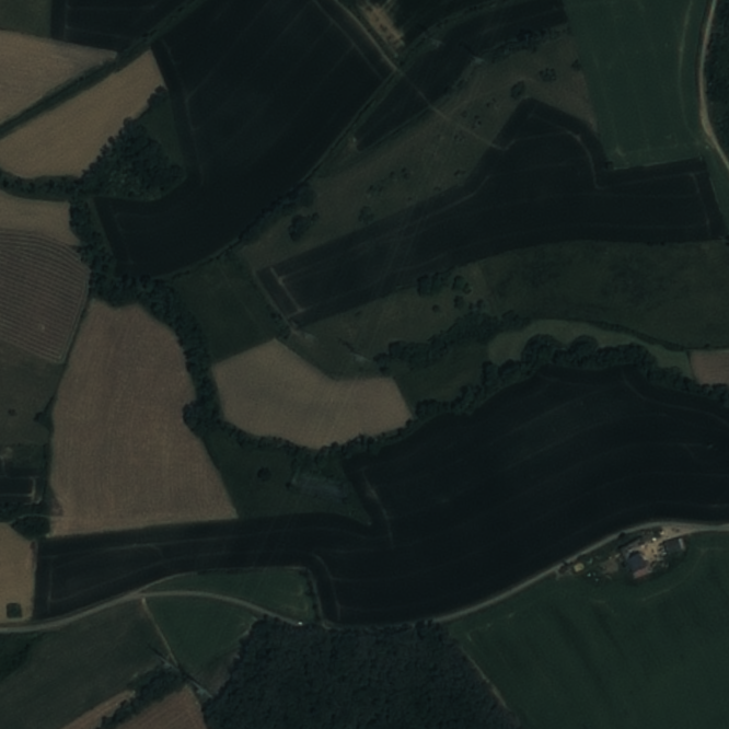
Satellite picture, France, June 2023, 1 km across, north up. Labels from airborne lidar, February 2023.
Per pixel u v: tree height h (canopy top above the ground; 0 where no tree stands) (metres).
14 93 0
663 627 0
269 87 0
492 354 0
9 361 0
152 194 10
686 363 0
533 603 0
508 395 0
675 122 0
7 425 0
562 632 0
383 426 0
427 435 0
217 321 0
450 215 0
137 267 0
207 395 12
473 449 0
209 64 0
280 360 0
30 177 0
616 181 0
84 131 0
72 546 0
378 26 0
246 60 0
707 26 0
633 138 0
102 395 0
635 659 0
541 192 0
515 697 0
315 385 0
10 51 0
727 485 0
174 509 0
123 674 0
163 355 0
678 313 0
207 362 21
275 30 0
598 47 0
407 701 23
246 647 24
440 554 0
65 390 0
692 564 0
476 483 0
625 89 0
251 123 0
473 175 0
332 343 0
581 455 0
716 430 0
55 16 0
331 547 0
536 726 0
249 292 0
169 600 0
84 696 0
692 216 0
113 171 7
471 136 0
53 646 0
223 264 0
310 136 0
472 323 6
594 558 0
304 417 0
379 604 0
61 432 0
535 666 0
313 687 26
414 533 0
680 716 0
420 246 0
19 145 0
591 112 0
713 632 0
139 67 0
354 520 0
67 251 0
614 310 0
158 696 19
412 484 0
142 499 0
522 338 0
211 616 0
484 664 0
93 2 0
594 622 0
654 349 0
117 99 0
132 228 0
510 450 0
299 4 0
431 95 0
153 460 0
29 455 0
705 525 0
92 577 0
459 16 0
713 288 0
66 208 0
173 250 0
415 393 0
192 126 0
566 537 0
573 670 0
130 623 0
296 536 0
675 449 0
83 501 0
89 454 0
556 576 0
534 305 0
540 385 0
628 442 0
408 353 12
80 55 0
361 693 26
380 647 25
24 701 0
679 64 0
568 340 0
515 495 0
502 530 0
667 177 0
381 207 0
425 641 25
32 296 0
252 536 0
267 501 0
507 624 0
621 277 0
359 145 0
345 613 0
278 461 0
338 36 0
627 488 0
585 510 0
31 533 6
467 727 24
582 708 0
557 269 0
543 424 0
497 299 0
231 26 0
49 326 0
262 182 0
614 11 0
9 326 0
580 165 0
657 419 0
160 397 0
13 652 0
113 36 0
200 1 0
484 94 0
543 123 0
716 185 0
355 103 0
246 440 10
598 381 0
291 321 0
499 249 0
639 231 0
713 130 0
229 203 0
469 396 22
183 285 0
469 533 0
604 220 0
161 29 0
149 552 0
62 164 0
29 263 0
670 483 0
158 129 0
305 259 0
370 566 0
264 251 0
